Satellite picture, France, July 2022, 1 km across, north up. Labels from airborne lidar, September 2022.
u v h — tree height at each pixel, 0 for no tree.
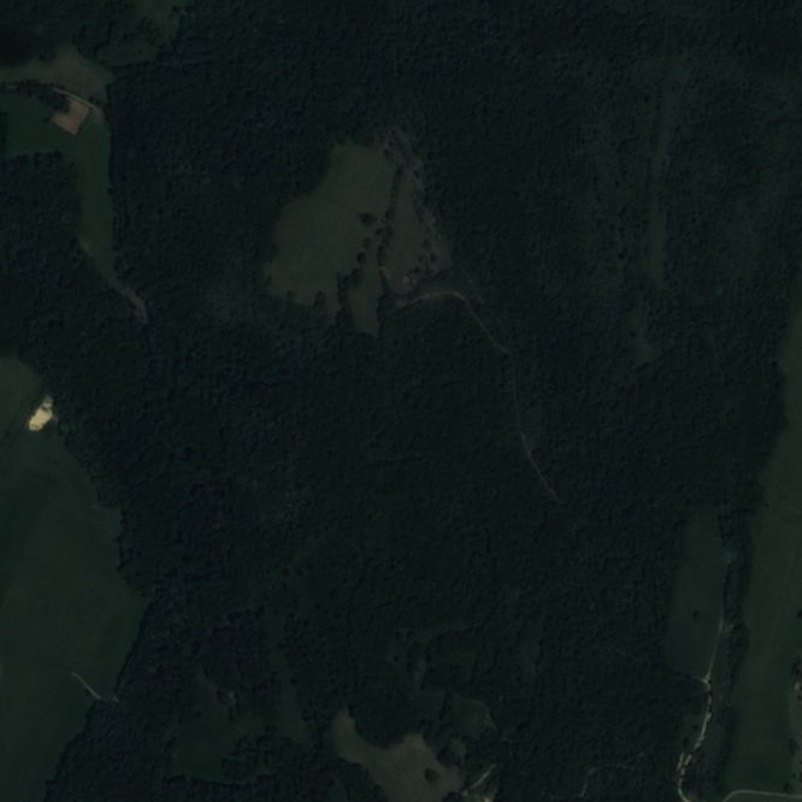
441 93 15
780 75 7
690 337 11
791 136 9
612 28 16
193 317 14
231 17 15
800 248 18
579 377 10
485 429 15
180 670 19
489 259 10
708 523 0
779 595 0
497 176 13
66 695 0
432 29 14
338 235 0
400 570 14
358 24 20
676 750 14
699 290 9
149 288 17
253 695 21
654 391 11
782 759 0
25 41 19
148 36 7
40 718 0
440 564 20
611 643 12
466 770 14
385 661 12
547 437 6
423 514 15
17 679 0
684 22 12
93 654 0
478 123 8
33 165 22
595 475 12
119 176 16
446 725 8
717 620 0
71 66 0
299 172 19
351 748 0
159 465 21
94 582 0
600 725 6
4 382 0
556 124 11
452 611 18
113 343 19
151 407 25
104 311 12
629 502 11
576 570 16
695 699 12
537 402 10
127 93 10
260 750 13
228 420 8
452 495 9
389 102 14
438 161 12
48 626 0
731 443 14
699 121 7
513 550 18
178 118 22
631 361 7
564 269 8
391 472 23
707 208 8
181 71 14
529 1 11
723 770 6
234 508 22
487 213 15
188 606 22
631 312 10
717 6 8
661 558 13
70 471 0
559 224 10
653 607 11
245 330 14
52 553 0
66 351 17
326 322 9
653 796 13
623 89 8
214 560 13
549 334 18
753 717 0
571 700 13
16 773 0
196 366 14
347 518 15
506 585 12
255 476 8
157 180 21
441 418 15
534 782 16
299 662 7
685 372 8
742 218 8
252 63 14
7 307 10
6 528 0
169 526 25
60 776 11
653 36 16
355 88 16
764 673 0
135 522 16
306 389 17
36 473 0
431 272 6
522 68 10
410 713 18
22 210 25
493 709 14
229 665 20
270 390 23
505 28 14
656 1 9
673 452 15
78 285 32
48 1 12
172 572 8
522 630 7
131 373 18
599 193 7
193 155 18
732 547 8
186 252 14
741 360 12
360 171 0
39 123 0
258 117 8
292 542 17
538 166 11
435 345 12
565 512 15
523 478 15
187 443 15
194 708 22
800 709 0
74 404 15
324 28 15
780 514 0
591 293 7
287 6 13
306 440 19
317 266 0
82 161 0
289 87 13
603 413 9
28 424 0
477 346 13
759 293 9
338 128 21
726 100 13
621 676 12
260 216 19
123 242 12
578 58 6
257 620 24
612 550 10
